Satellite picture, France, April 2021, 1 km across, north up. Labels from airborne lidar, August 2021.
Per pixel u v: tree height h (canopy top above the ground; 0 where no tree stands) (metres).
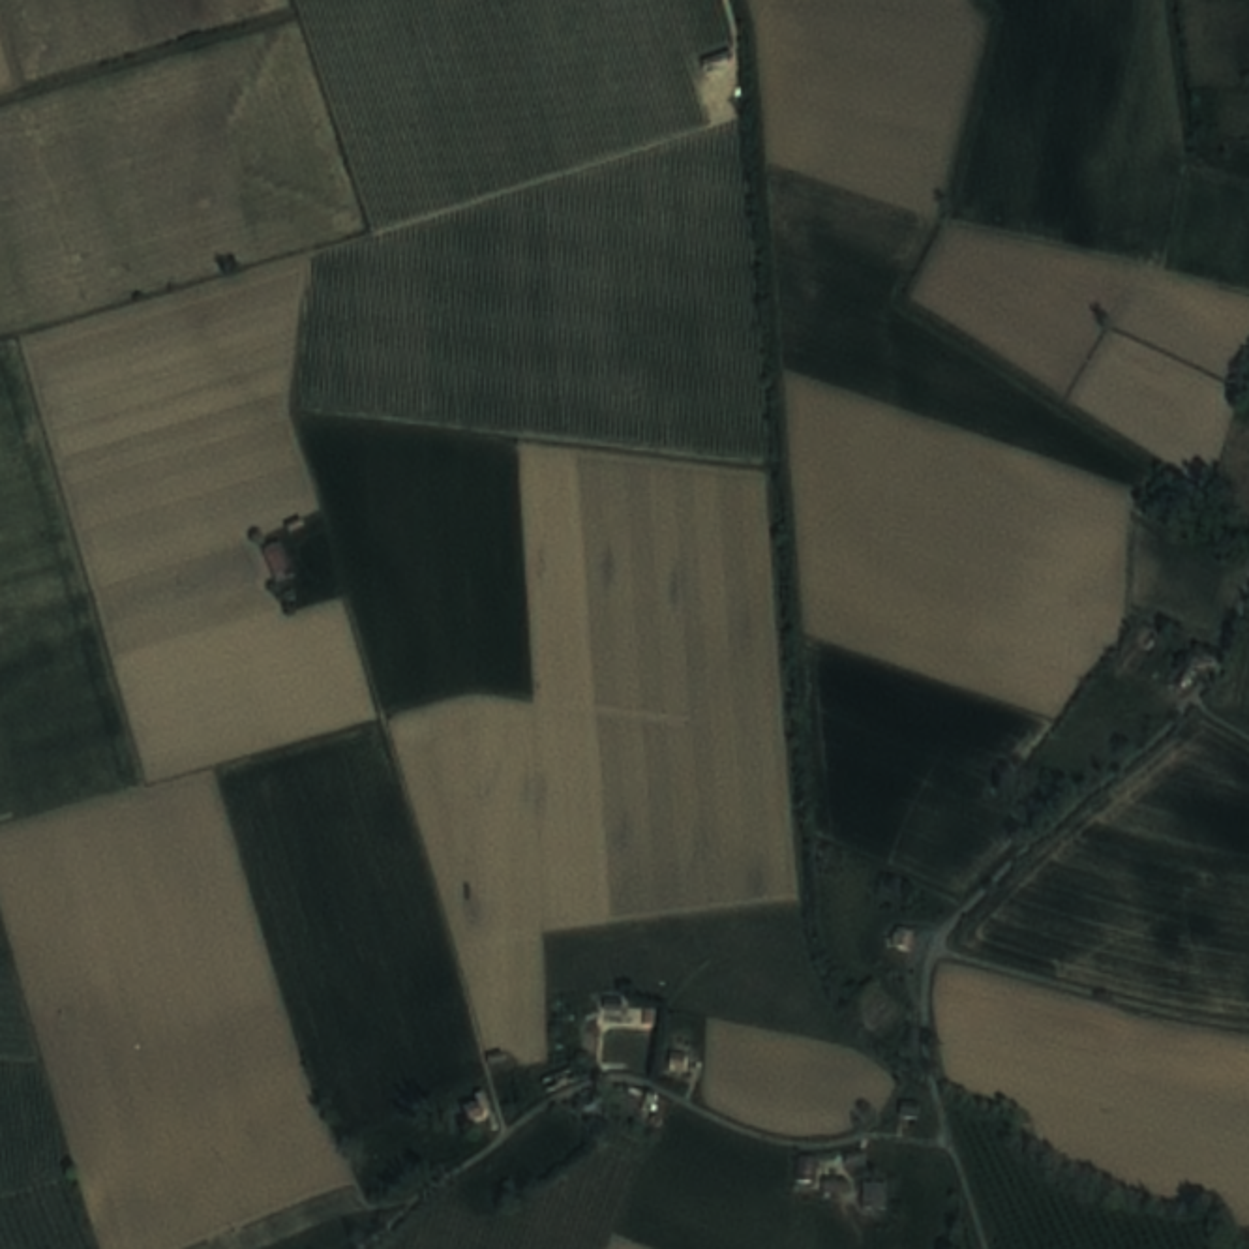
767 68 0
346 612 0
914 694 0
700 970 0
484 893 0
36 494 0
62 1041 0
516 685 0
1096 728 0
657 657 0
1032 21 0
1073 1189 17
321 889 0
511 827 0
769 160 0
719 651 0
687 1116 0
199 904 0
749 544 0
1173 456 0
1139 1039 0
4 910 0
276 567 0
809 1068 0
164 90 0
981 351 0
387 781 0
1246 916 0
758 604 0
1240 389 10
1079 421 0
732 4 0
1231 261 0
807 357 0
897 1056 9
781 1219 0
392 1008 0
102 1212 0
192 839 0
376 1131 0
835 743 0
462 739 0
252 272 0
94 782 0
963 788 0
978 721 0
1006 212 0
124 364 0
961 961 0
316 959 0
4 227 0
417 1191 14
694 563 0
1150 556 0
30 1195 7
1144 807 0
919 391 0
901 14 0
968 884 0
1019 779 13
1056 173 0
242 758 0
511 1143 0
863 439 0
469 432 0
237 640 0
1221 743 0
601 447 0
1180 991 0
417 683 0
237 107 0
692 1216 0
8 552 0
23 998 0
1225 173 0
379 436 0
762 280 12
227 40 0
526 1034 0
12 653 0
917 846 0
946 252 0
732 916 0
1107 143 0
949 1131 0
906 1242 0
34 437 0
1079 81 0
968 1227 10
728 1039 0
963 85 0
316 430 0
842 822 0
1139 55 0
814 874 11
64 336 0
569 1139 0
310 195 0
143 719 0
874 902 6
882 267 0
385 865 0
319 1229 0
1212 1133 0
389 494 0
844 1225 0
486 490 0
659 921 0
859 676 0
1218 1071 0
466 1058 0
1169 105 0
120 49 0
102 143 0
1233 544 16
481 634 0
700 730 0
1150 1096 0
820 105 0
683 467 0
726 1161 0
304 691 0
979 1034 0
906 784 0
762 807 0
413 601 0
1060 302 0
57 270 0
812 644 0
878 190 0
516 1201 16
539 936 0
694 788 0
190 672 0
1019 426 0
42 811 0
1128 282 0
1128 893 0
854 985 7
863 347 0
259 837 0
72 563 0
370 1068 0
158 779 0
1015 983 0
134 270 0
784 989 0
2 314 0
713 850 0
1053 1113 0
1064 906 0
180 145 0
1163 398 0
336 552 0
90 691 0
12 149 0
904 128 0
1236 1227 15
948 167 0
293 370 0
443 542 0
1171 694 0
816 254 0
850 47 0
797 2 0
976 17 0
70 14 0
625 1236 0
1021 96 0
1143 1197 12
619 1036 0
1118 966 0
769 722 0
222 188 0
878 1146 0
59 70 0
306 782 0
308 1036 0
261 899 0
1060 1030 0
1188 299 0
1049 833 13
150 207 0
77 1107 0
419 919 0
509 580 0
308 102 0
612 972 0
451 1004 0
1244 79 10
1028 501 0
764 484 0
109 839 0
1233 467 0
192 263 0
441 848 0
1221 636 0
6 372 0
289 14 0
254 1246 0
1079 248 0
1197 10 0
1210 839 0
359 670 0
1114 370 0
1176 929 0
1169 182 0
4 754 0
